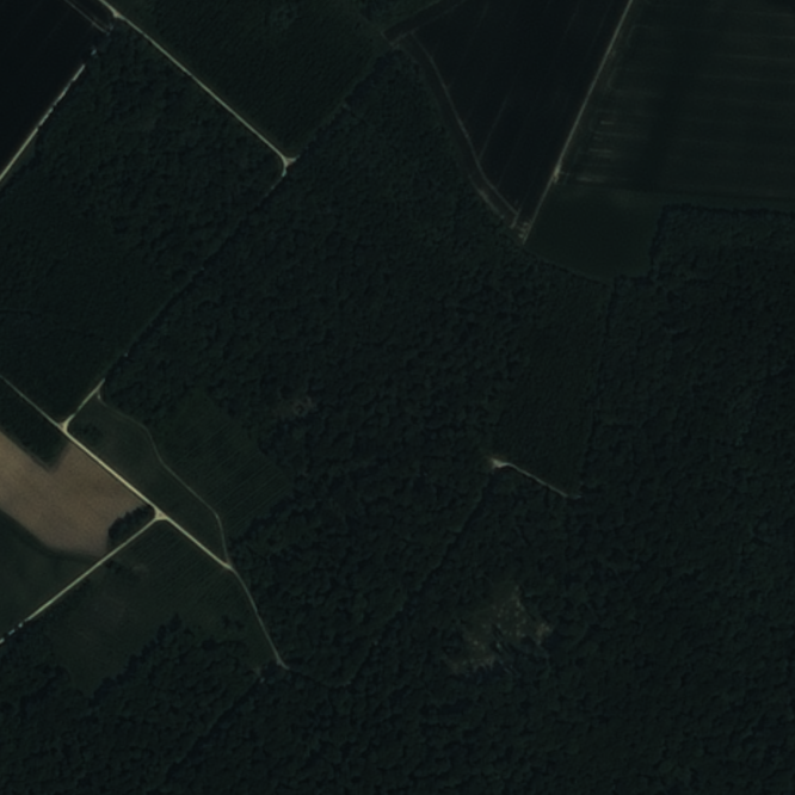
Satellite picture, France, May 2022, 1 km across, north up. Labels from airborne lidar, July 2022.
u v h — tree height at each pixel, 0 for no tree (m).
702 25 0
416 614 24
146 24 0
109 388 15
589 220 0
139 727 27
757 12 0
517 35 0
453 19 0
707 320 26
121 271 16
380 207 18
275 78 9
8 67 0
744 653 24
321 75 9
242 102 7
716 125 0
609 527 25
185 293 13
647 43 0
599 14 0
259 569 22
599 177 0
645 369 22
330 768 23
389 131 20
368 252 26
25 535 0
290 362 25
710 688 27
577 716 27
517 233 0
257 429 9
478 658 0
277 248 26
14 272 11
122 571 10
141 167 21
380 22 28
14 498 0
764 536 25
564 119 0
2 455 0
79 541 0
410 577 25
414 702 25
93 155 16
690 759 24
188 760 23
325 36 12
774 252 24
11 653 19
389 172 19
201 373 25
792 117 0
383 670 23
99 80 17
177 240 24
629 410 21
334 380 20
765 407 25
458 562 25
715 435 25
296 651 25
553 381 12
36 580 0
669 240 21
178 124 16
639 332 19
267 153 9
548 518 26
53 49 0
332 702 26
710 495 28
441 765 30
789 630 20
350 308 21
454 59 0
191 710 27
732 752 29
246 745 28
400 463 28
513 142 0
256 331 20
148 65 27
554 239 0
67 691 22
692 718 22
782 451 20
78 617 0
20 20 0
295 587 27
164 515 0
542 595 23
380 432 24
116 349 12
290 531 24
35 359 16
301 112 9
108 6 0
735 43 0
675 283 27
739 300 23
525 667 31
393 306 23
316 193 15
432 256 21
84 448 0
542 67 0
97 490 0
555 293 10
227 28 11
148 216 13
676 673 25
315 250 18
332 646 25
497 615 0
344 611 7
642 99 0
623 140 0
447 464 26
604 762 25
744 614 15
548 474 12
